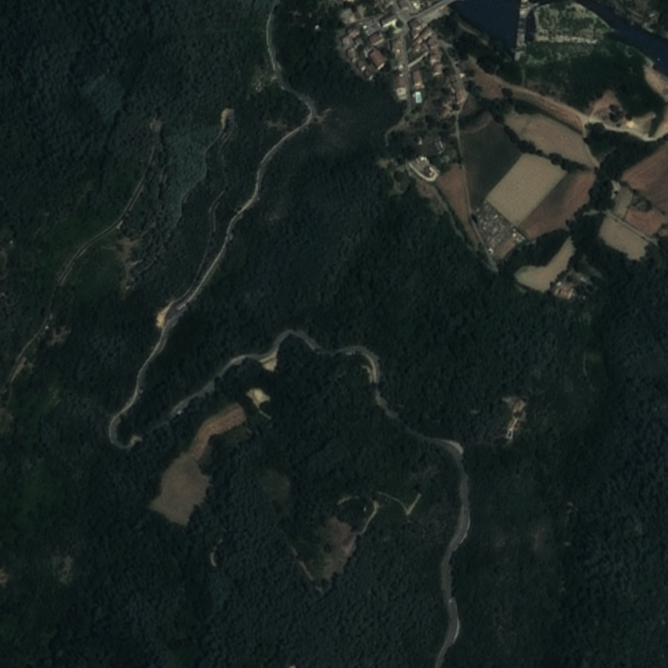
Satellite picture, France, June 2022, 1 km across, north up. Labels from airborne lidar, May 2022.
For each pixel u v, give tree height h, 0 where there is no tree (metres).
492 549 8
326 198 7
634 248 0
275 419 12
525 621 6
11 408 8
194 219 18
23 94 7
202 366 14
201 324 8
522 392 22
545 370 7
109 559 13
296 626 30
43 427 21
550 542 7
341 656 25
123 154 22
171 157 15
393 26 7
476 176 0
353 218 9
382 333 13
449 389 17
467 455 18
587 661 16
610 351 23
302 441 18
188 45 20
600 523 15
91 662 17
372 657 23
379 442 12
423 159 0
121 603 14
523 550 10
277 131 9
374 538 17
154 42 10
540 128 0
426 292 11
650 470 15
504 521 9
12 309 16
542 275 0
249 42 11
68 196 10
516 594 6
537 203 0
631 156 11
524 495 12
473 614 13
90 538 15
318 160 22
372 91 10
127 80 7
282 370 17
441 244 9
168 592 16
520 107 14
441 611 8
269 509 23
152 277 22
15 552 14
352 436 12
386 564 8
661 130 0
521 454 15
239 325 11
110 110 16
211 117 8
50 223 11
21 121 17
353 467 9
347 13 0
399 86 0
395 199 21
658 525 9
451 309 16
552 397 8
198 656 6
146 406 21
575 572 18
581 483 21
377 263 28
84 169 15
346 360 14
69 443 18
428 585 10
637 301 7
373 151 16
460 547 13
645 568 10
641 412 11
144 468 16
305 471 16
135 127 20
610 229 0
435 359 17
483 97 8
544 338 18
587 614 10
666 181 0
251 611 28
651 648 10
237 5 7
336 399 19
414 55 0
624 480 16
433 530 19
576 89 6
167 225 21
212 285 9
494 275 17
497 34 0
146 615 29
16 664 7
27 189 18
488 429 18
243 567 22
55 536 12
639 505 22
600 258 12
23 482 10
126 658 19
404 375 19
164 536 22
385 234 13
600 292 13
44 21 19
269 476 0
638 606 9
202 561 13
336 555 0
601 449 23
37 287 9
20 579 11
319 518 9
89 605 28
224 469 14
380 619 17
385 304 16
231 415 0
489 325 14
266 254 9
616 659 8
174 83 12
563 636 19
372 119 8
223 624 22
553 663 19
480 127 0
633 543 11
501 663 10
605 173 12
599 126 13
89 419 21
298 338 14
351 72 11
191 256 8
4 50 16
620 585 19
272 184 11
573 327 26
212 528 26
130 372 9
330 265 10
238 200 13
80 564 13
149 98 23
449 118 8
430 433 13
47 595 9
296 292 14
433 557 6
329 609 17
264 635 28
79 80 21
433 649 11
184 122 22
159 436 14
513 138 8
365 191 11
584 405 8
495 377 13
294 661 14
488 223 0
